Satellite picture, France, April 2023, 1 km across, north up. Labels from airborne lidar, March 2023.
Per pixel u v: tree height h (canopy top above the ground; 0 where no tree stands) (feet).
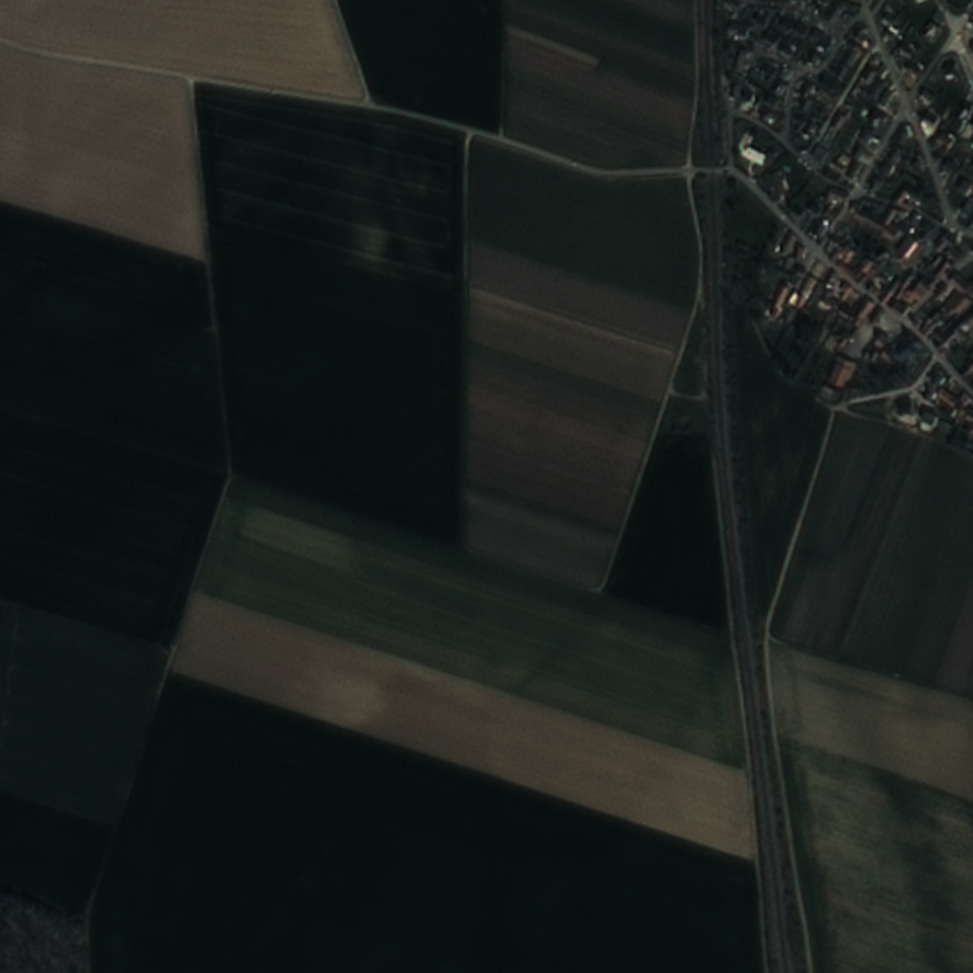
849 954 0
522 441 0
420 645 0
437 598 0
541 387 0
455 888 0
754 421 0
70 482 0
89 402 0
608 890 0
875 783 0
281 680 0
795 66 0
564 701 0
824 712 0
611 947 0
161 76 0
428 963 0
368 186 0
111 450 0
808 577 0
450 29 0
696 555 0
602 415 0
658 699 0
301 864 0
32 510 0
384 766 0
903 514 0
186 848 0
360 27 0
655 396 0
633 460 0
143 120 0
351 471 0
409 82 0
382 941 0
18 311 0
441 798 0
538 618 0
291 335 0
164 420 0
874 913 0
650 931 0
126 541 0
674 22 0
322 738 0
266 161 0
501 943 0
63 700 0
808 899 0
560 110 0
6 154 0
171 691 0
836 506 0
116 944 0
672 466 0
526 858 0
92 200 0
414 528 0
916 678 0
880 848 0
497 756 0
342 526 0
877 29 0
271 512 0
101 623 0
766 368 0
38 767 0
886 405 0
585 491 0
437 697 0
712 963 0
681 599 0
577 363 0
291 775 0
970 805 0
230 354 0
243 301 0
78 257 0
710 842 0
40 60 0
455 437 0
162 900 0
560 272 0
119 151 0
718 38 20
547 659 0
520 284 0
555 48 0
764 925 0
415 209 0
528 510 0
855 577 0
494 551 0
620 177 0
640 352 0
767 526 0
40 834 0
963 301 0
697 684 0
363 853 0
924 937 0
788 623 0
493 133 0
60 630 0
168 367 0
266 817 0
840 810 0
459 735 0
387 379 0
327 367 0
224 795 0
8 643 0
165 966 0
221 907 0
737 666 0
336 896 0
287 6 0
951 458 0
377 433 0
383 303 0
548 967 0
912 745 0
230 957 0
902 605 0
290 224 0
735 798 0
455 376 0
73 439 0
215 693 0
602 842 0
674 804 0
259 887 0
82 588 0
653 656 0
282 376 0
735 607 0
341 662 0
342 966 0
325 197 0
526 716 0
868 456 0
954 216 0
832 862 0
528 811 0
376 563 0
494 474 0
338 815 0
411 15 0
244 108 0
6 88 0
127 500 0
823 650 0
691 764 0
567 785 0
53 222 0
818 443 0
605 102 0
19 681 0
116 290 0
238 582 0
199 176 0
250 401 0
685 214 0
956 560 0
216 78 0
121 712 0
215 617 0
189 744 0
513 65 0
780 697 0
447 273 0
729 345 29
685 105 0
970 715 0
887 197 0
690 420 0
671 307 0
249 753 0
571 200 0
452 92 0
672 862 0
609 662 0
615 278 0
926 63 0
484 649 0
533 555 0
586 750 0
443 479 0
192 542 0
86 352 0
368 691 0
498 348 0
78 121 0
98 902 0
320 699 0
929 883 0
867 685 0
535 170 0
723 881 0
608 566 0
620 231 0
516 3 0
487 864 0
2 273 0
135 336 0
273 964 0
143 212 0
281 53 0
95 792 0
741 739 0
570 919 0
